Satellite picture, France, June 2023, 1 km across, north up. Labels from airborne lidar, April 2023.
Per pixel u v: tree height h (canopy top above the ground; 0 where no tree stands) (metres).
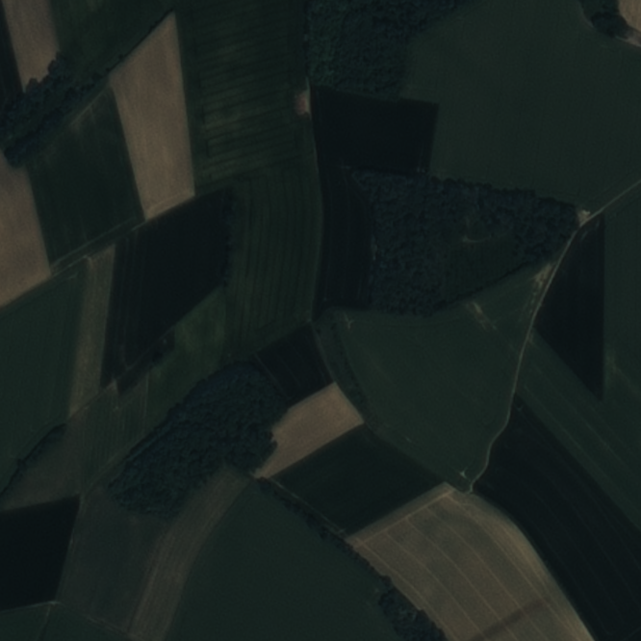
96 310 0
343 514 0
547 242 25
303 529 0
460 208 27
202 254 0
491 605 0
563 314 0
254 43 0
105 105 0
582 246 0
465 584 0
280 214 0
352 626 0
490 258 0
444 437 0
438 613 0
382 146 0
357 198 0
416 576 0
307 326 0
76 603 0
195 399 23
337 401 0
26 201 0
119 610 0
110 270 0
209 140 0
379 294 21
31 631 0
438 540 0
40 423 0
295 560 0
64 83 14
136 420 0
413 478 0
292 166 0
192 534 0
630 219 0
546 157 0
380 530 0
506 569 0
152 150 0
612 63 0
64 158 0
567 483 0
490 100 0
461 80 0
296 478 0
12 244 0
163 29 0
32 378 0
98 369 0
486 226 27
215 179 0
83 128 0
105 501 0
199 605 0
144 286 0
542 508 0
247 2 0
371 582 0
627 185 0
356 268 0
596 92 0
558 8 0
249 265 0
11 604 0
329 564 0
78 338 0
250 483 0
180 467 26
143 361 0
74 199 0
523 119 0
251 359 0
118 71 0
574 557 0
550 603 0
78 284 0
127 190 0
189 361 0
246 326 0
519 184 0
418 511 0
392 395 0
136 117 0
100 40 0
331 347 0
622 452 0
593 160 0
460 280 0
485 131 0
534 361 0
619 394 0
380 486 0
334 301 0
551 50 0
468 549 0
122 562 0
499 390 0
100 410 0
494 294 0
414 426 0
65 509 0
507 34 0
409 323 0
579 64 0
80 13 0
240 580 0
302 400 0
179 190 0
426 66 0
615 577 0
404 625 10
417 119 0
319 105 0
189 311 0
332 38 12
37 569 0
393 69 18
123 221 0
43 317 0
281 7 0
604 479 0
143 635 0
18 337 0
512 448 0
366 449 0
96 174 0
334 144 0
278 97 0
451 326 0
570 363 0
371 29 20
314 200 0
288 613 0
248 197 0
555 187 0
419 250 27
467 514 0
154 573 0
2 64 0
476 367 0
